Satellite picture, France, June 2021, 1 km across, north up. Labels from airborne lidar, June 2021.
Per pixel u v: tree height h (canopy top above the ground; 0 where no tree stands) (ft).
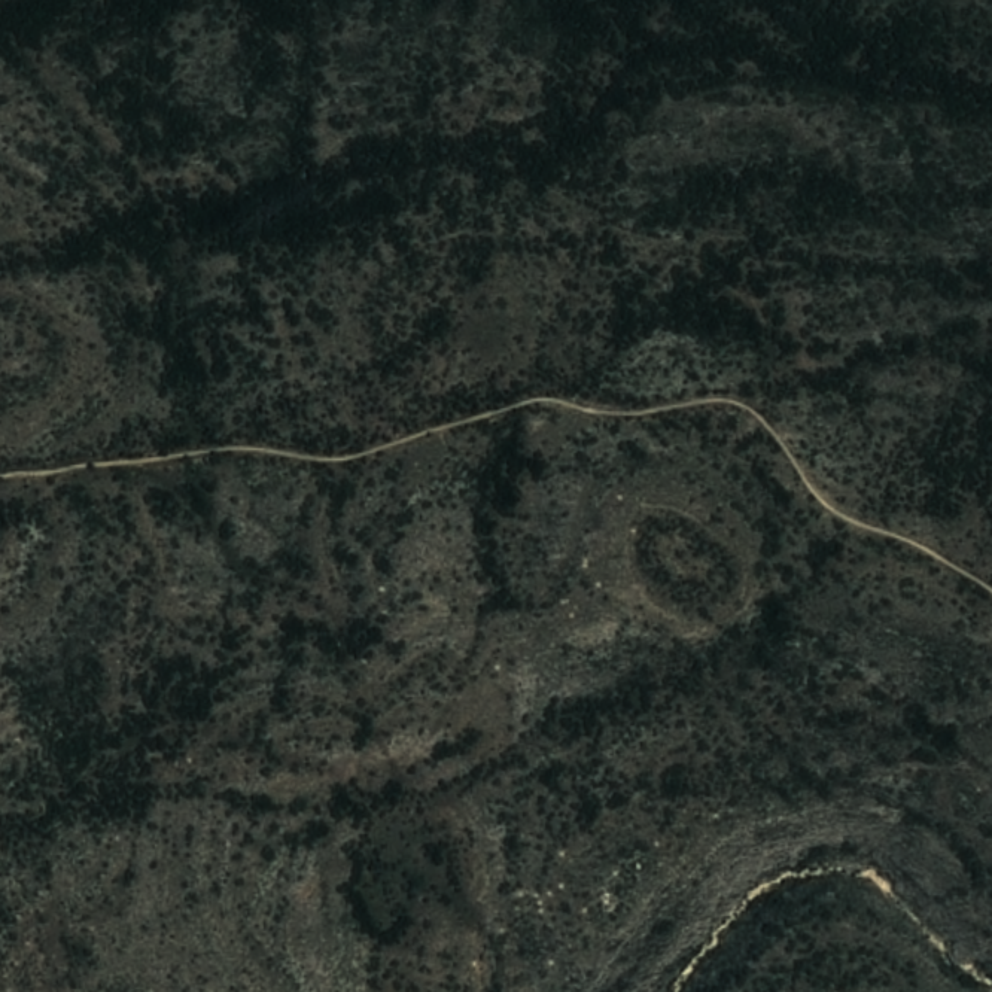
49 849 0
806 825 0
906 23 26
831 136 0
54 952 0
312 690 0
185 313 20
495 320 0
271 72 20
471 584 0
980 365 25
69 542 0
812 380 17
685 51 27
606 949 0
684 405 0
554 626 0
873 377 0
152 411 0
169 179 24
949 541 0
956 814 0
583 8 28
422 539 0
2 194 0
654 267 19
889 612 0
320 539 0
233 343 22
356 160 29
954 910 0
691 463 0
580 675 0
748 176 24
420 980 0
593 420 0
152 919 0
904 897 0
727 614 0
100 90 26
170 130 19
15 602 0
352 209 21
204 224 31
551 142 24
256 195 29
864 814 0
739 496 0
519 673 0
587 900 0
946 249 0
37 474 0
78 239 28
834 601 0
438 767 0
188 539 0
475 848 0
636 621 0
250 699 0
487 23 0
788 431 0
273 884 0
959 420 19
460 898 0
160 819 0
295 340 21
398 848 0
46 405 0
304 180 25
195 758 0
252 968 0
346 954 0
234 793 18
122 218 22
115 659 0
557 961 0
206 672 23
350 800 24
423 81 20
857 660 0
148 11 30
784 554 0
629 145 0
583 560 0
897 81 26
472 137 28
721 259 21
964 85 25
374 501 0
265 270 21
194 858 0
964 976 30
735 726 0
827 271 19
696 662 18
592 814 18
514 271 0
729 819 0
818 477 0
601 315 19
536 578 0
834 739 0
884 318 0
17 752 0
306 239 31
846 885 0
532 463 22
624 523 0
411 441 0
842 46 27
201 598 0
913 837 0
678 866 0
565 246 19
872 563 0
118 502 20
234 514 0
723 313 22
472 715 0
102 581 0
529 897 0
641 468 0
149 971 0
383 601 0
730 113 0
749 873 0
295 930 0
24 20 24
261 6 18
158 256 20
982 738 0
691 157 0
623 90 26
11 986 0
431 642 0
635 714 19
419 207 29
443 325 30
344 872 0
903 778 0
